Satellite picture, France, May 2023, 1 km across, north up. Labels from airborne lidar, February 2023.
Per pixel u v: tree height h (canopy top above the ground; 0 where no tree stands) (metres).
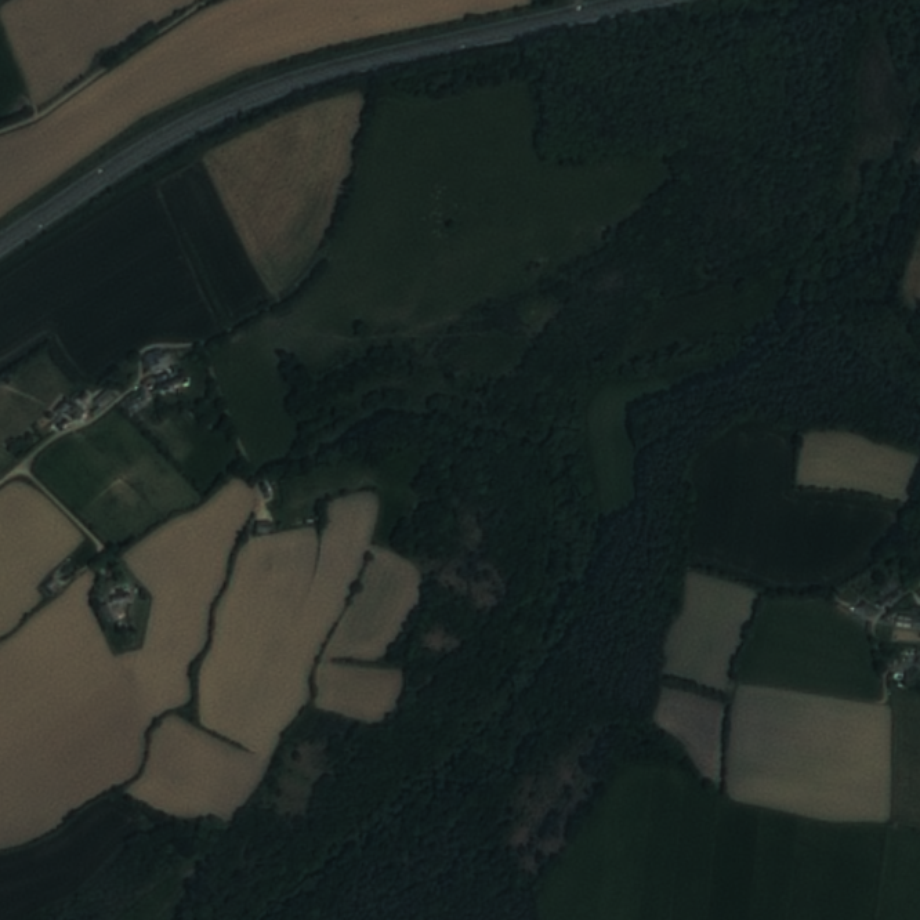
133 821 0
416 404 0
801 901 0
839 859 0
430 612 14
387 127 0
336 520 0
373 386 0
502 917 13
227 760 0
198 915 25
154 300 0
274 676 0
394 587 0
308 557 0
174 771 0
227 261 0
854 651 0
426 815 14
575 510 15
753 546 0
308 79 0
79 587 0
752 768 0
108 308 0
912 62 10
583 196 0
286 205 0
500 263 0
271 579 0
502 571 9
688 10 6
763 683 0
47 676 0
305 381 14
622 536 22
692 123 21
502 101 0
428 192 0
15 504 0
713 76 15
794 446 9
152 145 0
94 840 0
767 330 18
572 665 22
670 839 0
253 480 10
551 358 11
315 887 13
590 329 14
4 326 0
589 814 12
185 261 0
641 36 19
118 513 0
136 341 0
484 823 17
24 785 0
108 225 0
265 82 0
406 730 17
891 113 0
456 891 18
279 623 0
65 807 0
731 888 0
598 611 26
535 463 21
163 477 0
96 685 0
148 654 0
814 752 0
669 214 14
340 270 0
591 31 17
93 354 0
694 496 14
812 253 17
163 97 0
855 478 0
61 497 0
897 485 0
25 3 0
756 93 22
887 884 0
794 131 25
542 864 10
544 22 0
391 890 11
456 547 10
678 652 0
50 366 0
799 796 0
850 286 16
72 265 0
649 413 24
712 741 0
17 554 0
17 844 0
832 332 14
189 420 0
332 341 0
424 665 18
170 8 0
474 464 16
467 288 0
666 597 12
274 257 0
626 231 14
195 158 0
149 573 0
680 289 16
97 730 0
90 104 0
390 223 0
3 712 0
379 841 18
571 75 20
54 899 0
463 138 0
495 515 15
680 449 23
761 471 0
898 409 26
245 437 0
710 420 25
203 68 0
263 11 0
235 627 0
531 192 0
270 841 18
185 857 28
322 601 0
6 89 0
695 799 0
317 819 17
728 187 15
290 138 0
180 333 0
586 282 9
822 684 0
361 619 0
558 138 21
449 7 0
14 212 0
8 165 0
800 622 0
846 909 0
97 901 7
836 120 22
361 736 18
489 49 10
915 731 0
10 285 0
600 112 18
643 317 18
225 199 0
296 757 12
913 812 0
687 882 0
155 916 0
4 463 0
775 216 12
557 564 19
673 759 7
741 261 13
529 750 20
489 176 0
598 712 15
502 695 11
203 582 0
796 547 0
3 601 0
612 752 15
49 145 0
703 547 0
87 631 0
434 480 15
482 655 15
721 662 0
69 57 0
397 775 20
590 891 0
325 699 0
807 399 24
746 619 0
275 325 0
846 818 0
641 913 0
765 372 23
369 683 0
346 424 8
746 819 0
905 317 14
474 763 16
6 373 7
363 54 0
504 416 20
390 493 0
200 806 0
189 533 0
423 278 0
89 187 0
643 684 17
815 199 20
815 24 20
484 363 0
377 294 0
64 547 0
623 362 7
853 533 0
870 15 12
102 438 0
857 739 0
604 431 0
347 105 0
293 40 0
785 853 0
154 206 0
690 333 0
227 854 14
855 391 23
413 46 0
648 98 22
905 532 17
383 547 0
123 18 0
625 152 18
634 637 25
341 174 0
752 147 19
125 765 0
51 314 0
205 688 0
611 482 0
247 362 0
